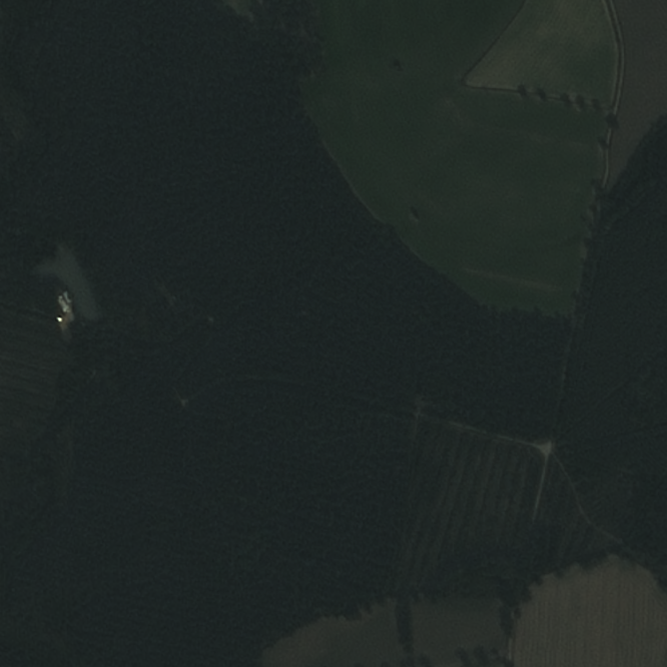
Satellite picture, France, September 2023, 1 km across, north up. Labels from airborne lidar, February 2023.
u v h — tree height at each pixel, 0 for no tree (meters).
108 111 19
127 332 12
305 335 24
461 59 0
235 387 18
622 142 0
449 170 0
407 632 18
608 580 0
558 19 0
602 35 0
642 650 0
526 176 0
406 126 0
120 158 16
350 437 20
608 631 0
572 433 9
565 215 0
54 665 24
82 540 14
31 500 18
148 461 14
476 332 19
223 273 22
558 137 0
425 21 0
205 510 21
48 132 16
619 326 9
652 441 7
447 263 0
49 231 17
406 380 18
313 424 14
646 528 6
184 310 8
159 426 14
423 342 22
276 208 24
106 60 25
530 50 0
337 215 20
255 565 19
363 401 16
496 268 0
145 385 16
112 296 14
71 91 20
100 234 18
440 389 19
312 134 20
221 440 20
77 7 21
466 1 0
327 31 0
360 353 21
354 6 0
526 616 0
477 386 23
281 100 21
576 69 0
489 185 0
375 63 0
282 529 21
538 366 19
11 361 0
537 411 19
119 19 17
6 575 19
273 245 27
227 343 25
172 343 18
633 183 19
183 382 14
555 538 21
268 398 21
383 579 11
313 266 20
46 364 0
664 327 8
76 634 19
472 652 0
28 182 14
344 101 0
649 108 0
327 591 19
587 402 8
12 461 13
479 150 0
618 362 8
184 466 12
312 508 21
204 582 13
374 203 0
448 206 0
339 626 0
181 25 27
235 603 20
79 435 11
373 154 0
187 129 22
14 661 20
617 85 0
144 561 15
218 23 22
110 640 21
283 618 22
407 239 0
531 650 0
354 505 22
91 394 20
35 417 0
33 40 20
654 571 14
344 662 0
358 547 18
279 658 0
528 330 23
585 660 0
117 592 22
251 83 24
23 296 17
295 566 18
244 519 17
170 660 19
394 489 18
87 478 25
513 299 0
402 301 22
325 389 18
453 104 0
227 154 23
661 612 0
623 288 8
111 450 15
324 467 21
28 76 16
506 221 0
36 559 18
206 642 24
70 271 0
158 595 21
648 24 0
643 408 22
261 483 15
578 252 0
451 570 20
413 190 0
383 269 21
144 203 22
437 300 20
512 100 0
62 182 24
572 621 0
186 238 25
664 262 8
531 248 0
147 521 18
